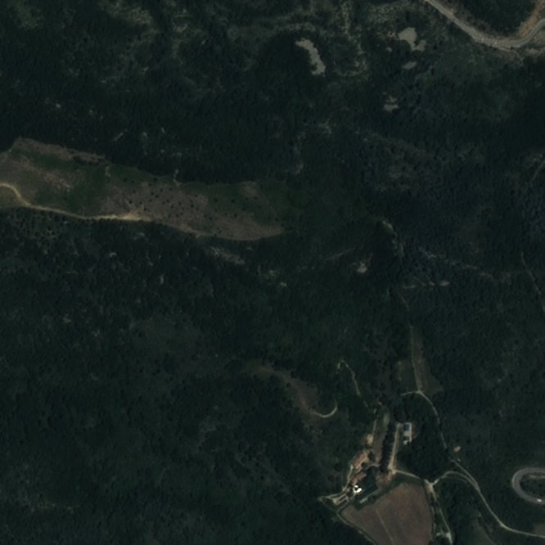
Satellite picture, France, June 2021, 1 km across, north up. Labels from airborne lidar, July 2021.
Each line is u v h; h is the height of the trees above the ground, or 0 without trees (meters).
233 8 8
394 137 7
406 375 0
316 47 10
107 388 16
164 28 6
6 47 7
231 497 6
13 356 14
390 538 0
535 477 0
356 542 21
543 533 0
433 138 9
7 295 12
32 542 11
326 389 9
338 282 10
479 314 7
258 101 10
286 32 7
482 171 7
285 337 8
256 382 8
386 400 13
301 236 7
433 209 7
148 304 10
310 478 7
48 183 0
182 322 6
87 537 12
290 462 8
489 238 12
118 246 10
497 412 8
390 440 21
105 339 8
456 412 7
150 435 8
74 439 11
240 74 10
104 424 18
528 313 6
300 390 0
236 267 11
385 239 14
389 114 10
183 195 0
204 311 13
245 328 9
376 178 9
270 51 13
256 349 13
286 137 9
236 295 10
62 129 10
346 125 9
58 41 8
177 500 10
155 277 12
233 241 5
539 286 10
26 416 16
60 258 13
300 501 10
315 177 10
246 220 0
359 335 9
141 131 11
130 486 7
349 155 11
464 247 6
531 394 9
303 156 10
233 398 17
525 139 9
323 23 7
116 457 7
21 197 0
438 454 6
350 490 7
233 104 10
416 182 8
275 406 15
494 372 8
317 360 10
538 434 5
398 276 12
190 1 16
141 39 13
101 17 8
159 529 9
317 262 10
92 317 11
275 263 7
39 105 11
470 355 8
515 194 18
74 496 14
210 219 6
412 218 8
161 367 9
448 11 0
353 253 8
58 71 11
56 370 7
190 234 6
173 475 6
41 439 17
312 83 9
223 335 12
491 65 6
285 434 14
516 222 10
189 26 7
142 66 7
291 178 7
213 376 10
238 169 12
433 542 6
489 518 9
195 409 11
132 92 8
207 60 12
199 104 10
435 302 6
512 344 6
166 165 10
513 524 8
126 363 12
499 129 12
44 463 10
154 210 0
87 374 12
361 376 9
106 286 11
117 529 8
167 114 7
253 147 11
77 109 9
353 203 7
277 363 13
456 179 7
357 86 9
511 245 11
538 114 11
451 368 11
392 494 0
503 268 8
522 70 11
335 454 13
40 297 15
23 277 16
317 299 11
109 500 13
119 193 0
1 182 0
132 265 13
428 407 8
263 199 0
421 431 8
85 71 7
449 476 7
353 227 14
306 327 8
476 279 7
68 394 15
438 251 8
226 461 13
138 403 9
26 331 10
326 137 7
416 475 13
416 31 8
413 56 9
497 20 9
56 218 13
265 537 11
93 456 7
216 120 7
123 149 12
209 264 12
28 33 7
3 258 9
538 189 8
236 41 8
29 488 9
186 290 7
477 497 5
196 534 8
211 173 10
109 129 11
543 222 23
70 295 11
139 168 9
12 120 14
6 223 8
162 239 8
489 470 8
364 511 0
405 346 6
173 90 19
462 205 7
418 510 0
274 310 10
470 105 6
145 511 16
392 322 11
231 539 5
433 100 11
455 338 9
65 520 13
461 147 18
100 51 8
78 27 7
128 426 7
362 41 7
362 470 9
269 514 7
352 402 8
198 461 11
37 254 12
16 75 8
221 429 14
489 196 6
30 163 0
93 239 8
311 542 8
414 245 9
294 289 12
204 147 9
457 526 17
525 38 0
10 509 10
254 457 12
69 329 15
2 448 6
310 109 9
